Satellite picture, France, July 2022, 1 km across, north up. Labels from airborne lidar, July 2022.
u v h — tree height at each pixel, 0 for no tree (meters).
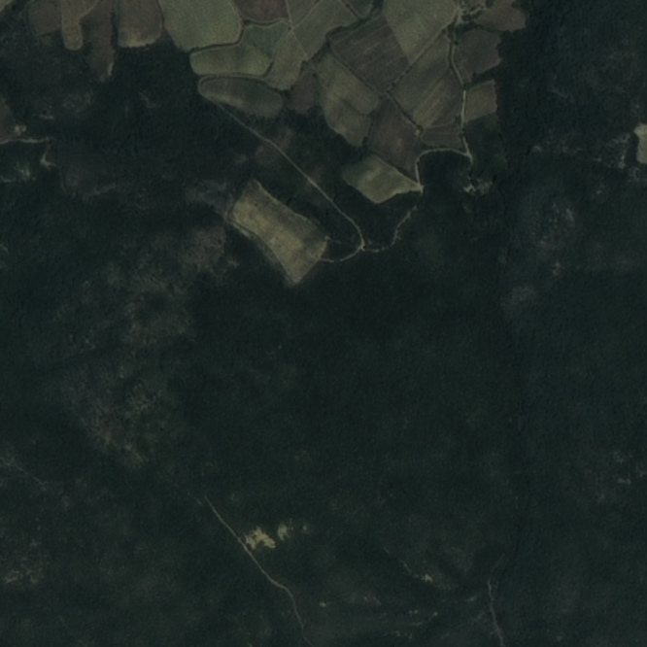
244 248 6
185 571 6
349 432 6
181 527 6
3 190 8
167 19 0
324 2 0
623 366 5
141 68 6
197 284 7
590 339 7
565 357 7
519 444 6
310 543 6
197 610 6
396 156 0
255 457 5
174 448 5
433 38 0
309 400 5
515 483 6
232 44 0
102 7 0
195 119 10
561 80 8
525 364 7
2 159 7
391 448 6
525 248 5
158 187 6
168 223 6
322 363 6
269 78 0
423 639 8
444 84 0
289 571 6
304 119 11
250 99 0
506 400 8
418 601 6
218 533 6
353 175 0
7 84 8
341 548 7
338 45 0
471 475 6
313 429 6
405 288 6
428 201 7
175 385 6
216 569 5
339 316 6
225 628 6
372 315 8
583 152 7
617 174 8
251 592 7
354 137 0
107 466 6
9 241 6
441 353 6
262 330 6
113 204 6
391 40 0
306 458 6
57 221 6
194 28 0
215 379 7
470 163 7
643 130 0
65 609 6
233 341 6
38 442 6
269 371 6
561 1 11
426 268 5
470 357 6
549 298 6
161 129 7
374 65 0
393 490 6
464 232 10
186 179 6
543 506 6
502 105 5
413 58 0
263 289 6
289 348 6
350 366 6
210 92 0
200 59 0
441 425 7
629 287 5
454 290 7
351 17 0
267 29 0
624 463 6
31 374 6
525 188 6
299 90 0
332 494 6
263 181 10
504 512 6
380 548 7
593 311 6
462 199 12
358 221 7
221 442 7
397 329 6
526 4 7
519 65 16
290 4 0
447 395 6
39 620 6
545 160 6
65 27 0
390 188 0
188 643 7
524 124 12
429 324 8
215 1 0
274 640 7
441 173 6
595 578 5
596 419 5
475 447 12
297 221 0
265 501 5
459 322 7
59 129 6
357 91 0
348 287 7
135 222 5
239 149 7
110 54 0
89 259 6
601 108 7
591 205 5
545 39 10
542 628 6
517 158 12
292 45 0
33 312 6
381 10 0
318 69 0
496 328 11
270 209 0
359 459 6
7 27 8
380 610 6
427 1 0
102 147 6
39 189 6
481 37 0
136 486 7
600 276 7
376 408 6
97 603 6
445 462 6
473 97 0
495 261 9
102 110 8
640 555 5
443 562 7
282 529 0
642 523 8
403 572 6
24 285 6
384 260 6
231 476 6
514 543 7
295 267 0
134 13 0
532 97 8
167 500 8
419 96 0
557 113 7
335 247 7
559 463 6
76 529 5
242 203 0
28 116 7
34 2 0
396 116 0
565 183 6
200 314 7
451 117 0
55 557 6
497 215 19
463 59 0
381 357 6
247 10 0
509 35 11
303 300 7
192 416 7
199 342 6
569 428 6
